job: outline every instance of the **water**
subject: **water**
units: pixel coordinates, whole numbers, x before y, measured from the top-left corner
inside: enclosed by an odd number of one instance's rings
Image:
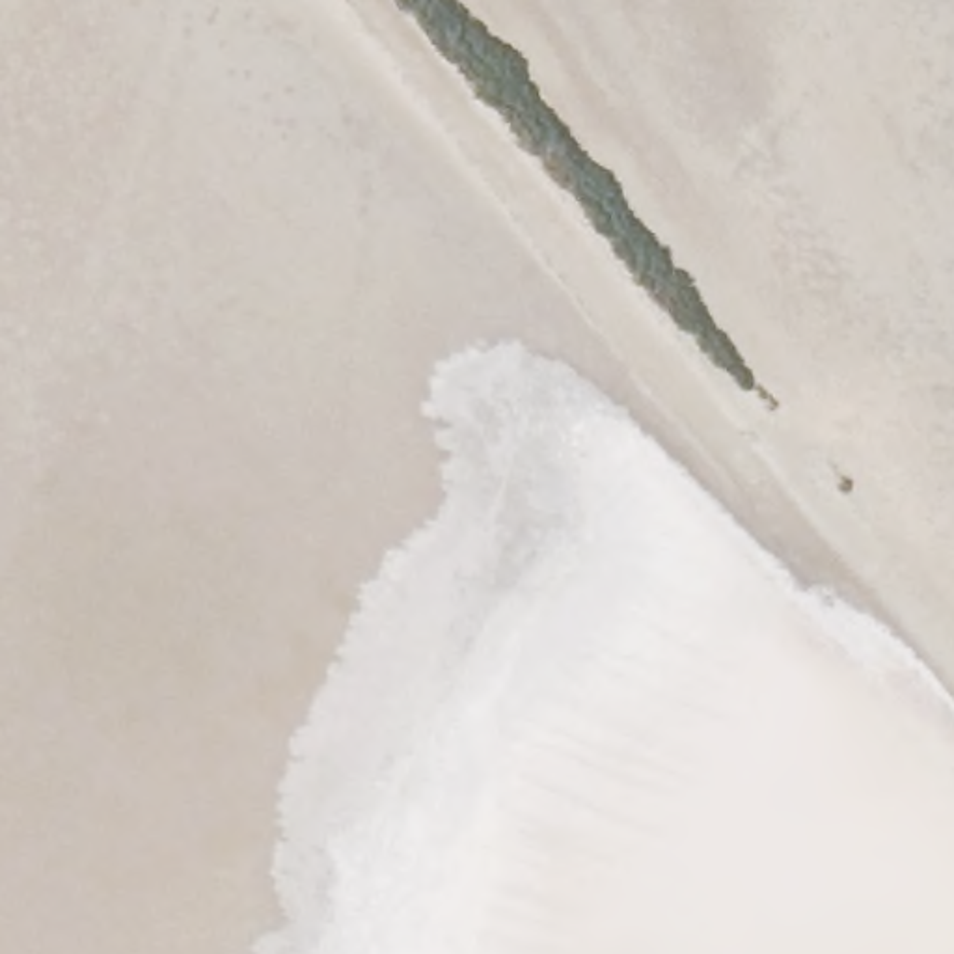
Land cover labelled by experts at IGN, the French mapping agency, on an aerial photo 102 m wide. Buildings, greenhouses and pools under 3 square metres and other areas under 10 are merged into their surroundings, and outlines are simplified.
[[[462,693],[451,704],[440,704],[432,719],[417,719],[414,753],[399,756],[388,779],[376,779],[376,812],[369,820],[358,820],[350,831],[335,835],[335,842],[328,846],[335,865],[332,920],[343,932],[343,954],[954,954],[954,697],[872,615],[850,604],[827,607],[812,589],[794,585],[790,570],[771,552],[764,552],[704,488],[697,488],[697,481],[686,477],[678,462],[671,462],[634,425],[611,451],[596,447],[589,458],[589,470],[619,499],[619,511],[604,518],[604,537],[615,540],[619,555],[604,555],[600,578],[570,585],[563,600],[537,596],[503,634],[496,663],[481,663],[481,671],[466,663]]]

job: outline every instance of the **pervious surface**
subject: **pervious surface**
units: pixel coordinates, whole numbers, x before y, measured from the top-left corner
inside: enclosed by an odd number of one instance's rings
[[[417,719],[432,719],[440,704],[451,704],[462,693],[466,663],[481,671],[481,663],[496,663],[503,634],[537,596],[563,600],[570,585],[600,578],[604,555],[619,555],[615,540],[604,537],[604,518],[619,511],[619,499],[589,470],[589,458],[596,447],[611,451],[634,425],[671,462],[678,462],[686,477],[697,481],[697,488],[704,488],[764,552],[771,552],[790,570],[794,585],[812,589],[827,607],[850,604],[872,615],[954,697],[954,0],[458,0],[473,19],[488,26],[488,34],[514,45],[525,56],[529,78],[537,82],[544,104],[570,127],[578,145],[596,164],[604,164],[619,179],[634,216],[671,250],[671,261],[678,268],[693,276],[712,320],[730,335],[745,365],[753,369],[753,388],[745,391],[727,369],[719,369],[701,350],[697,335],[678,328],[663,306],[652,302],[652,294],[634,279],[626,261],[615,253],[615,246],[593,227],[581,201],[544,171],[540,157],[533,157],[511,130],[511,123],[477,97],[462,67],[432,45],[417,15],[399,7],[399,0],[0,0],[0,954],[343,954],[343,932],[332,920],[335,865],[328,846],[335,842],[335,835],[350,831],[358,820],[369,820],[376,812],[376,779],[388,779],[399,756],[414,753]]]

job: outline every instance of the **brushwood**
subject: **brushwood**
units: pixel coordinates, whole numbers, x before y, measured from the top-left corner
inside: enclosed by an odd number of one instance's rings
[[[753,388],[753,369],[745,365],[730,335],[712,320],[693,276],[678,268],[671,261],[671,250],[634,216],[619,179],[604,164],[596,164],[578,145],[570,127],[544,104],[537,82],[529,78],[525,56],[514,45],[488,34],[488,26],[473,19],[458,0],[399,0],[399,7],[417,15],[432,45],[462,67],[477,97],[511,123],[511,130],[533,157],[540,157],[544,171],[581,201],[593,227],[615,246],[615,253],[626,261],[634,279],[652,294],[652,302],[663,306],[678,328],[697,335],[701,350],[719,369],[727,369],[745,391]]]

